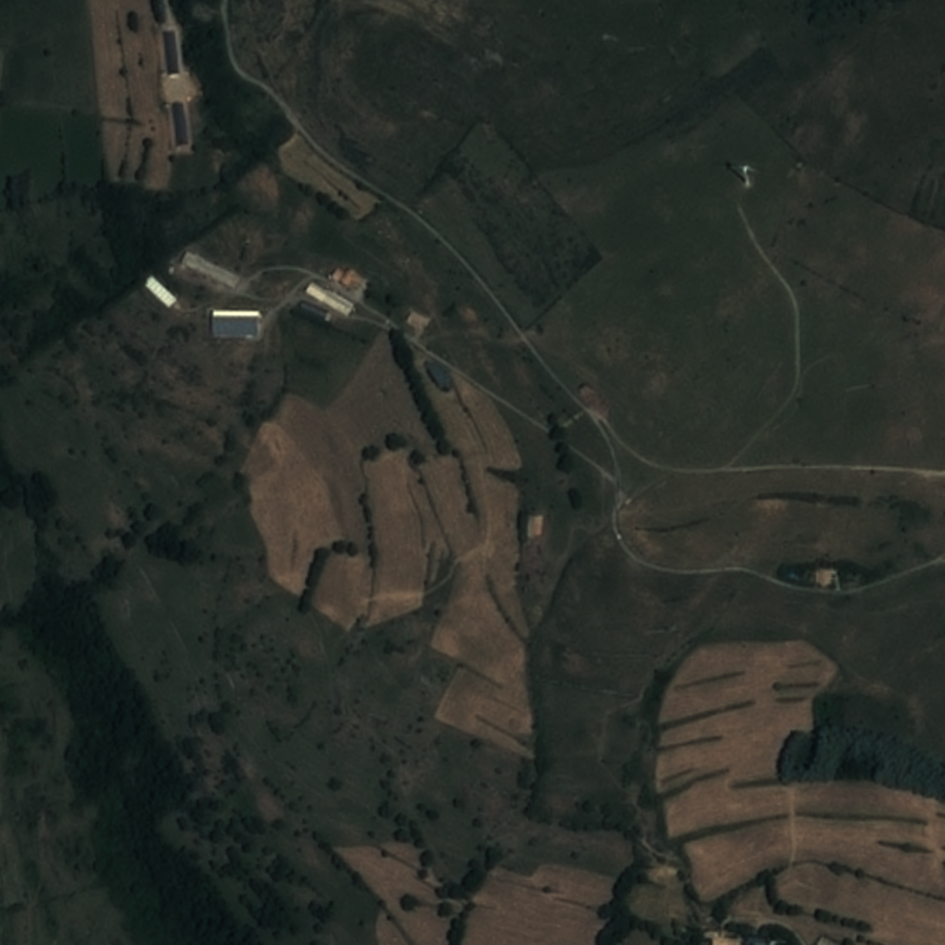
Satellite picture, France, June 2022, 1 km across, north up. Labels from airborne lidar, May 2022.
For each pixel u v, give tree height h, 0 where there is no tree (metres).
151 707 12
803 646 0
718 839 0
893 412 0
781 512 0
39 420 0
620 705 0
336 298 0
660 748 0
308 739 0
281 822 8
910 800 0
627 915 17
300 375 0
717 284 0
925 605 0
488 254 0
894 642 0
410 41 0
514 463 0
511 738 0
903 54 0
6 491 12
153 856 18
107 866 6
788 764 24
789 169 0
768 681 0
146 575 0
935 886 0
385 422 0
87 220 0
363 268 0
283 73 0
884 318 0
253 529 0
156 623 0
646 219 0
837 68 0
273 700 0
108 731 7
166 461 0
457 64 0
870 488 0
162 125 0
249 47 0
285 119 0
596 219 0
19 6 0
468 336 0
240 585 0
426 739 0
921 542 0
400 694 0
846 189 0
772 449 0
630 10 0
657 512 0
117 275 6
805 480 0
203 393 0
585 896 0
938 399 0
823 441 0
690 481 0
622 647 0
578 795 0
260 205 0
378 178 0
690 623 0
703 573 0
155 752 11
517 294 0
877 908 0
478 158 0
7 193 11
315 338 0
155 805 7
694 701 0
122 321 0
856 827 0
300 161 0
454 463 0
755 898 0
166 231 0
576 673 0
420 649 0
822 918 17
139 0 0
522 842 0
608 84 0
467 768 0
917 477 0
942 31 0
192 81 0
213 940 19
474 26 0
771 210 0
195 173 0
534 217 0
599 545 0
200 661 0
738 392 0
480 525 0
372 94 0
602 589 0
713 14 0
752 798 0
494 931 0
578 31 0
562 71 0
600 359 0
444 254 0
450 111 0
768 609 0
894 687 0
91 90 0
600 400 0
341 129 0
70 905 0
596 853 0
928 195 0
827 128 0
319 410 0
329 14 0
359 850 0
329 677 0
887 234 0
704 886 0
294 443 0
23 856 0
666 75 0
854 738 18
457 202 0
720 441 0
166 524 7
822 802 0
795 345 0
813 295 0
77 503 0
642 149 0
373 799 0
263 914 11
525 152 0
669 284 0
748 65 0
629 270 0
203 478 7
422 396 14
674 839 0
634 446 0
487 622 0
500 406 0
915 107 0
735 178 0
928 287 0
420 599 0
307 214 0
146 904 7
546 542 0
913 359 0
